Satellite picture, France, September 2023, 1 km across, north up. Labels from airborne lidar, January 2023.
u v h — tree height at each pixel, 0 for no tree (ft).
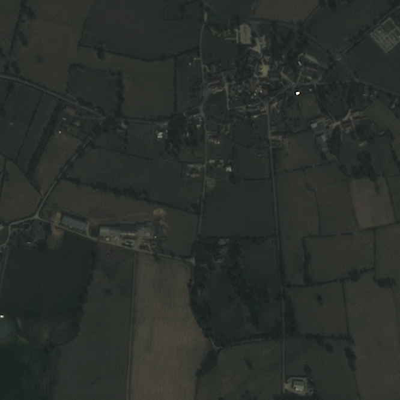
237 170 0
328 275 0
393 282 37
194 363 0
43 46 0
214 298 0
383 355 0
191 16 0
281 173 0
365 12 0
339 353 0
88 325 0
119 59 0
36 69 0
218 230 0
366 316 0
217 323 0
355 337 0
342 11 0
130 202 0
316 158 0
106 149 0
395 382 0
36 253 0
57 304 0
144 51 0
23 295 0
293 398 52
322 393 0
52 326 0
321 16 0
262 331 0
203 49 0
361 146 0
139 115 0
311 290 0
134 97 0
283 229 0
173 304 0
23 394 0
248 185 0
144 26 0
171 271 0
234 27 28
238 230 0
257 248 0
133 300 0
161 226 0
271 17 0
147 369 0
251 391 0
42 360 0
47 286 0
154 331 0
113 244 0
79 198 0
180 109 0
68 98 0
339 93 0
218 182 0
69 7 0
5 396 0
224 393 0
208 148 0
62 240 0
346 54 0
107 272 0
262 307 0
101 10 0
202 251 75
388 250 0
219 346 21
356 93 47
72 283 0
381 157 0
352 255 0
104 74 0
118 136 0
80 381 0
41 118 0
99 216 0
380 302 0
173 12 0
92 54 0
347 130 0
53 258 0
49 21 0
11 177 0
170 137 48
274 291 0
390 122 0
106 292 27
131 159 0
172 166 0
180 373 0
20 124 0
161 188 0
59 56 0
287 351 0
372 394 0
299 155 0
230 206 0
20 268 0
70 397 0
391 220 0
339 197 0
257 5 0
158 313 0
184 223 0
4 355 0
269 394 0
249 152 0
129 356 0
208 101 0
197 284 77
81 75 0
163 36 0
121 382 0
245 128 0
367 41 0
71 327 0
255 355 0
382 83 0
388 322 0
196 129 17
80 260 0
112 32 0
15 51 0
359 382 0
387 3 0
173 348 0
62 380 0
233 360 0
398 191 0
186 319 0
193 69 0
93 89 0
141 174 0
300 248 0
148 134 0
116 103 0
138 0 0
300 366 0
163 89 0
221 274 0
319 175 0
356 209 0
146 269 0
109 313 0
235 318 0
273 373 0
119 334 0
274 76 0
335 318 0
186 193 0
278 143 0
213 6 0
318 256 0
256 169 0
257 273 0
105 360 0
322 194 0
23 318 0
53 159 0
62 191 0
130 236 0
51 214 0
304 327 0
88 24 0
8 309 0
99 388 0
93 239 0
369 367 0
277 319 0
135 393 0
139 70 0
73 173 0
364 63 0
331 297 0
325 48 0
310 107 0
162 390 0
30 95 0
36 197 0
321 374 0
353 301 0
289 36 38
